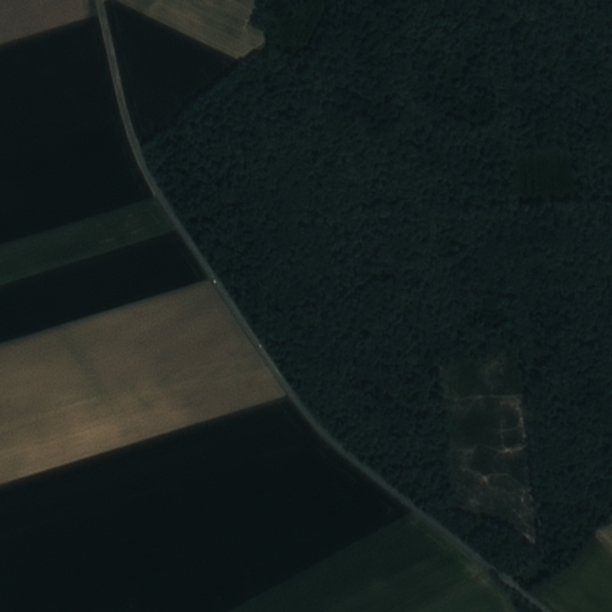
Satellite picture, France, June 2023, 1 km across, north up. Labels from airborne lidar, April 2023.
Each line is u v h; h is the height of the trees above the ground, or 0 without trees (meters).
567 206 20
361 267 22
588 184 8
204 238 20
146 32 0
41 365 0
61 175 0
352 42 22
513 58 23
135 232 0
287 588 0
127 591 0
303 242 26
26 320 0
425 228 23
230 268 21
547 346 21
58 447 0
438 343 28
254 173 21
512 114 20
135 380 0
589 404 19
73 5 0
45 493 0
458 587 0
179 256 0
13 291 0
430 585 0
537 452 19
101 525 0
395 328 22
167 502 0
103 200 0
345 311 26
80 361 0
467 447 0
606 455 17
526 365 6
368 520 0
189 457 0
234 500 0
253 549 0
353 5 24
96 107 0
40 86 0
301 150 16
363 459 13
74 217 0
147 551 0
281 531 0
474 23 18
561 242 24
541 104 25
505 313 8
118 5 0
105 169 0
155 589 0
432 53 11
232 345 0
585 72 22
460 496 0
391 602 0
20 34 0
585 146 23
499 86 20
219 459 0
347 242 19
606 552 0
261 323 17
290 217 27
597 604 0
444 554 0
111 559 0
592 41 23
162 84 0
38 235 0
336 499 0
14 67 0
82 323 0
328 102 22
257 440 0
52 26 0
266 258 22
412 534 0
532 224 25
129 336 0
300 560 0
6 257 0
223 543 0
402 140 19
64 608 0
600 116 18
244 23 0
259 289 22
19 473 0
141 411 0
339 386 18
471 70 18
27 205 0
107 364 0
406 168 16
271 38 16
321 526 0
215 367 0
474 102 11
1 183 0
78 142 0
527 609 15
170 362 0
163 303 0
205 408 0
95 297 0
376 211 19
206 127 22
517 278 22
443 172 22
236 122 19
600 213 11
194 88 0
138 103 0
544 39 20
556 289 24
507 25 9
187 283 0
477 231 21
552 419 22
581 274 21
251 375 0
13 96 0
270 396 0
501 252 24
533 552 19
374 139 17
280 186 19
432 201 21
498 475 0
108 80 0
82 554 0
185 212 14
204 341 0
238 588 0
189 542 0
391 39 17
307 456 0
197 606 0
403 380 22
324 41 21
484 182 19
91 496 0
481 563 0
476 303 18
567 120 24
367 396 25
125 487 0
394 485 14
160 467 0
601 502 20
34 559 0
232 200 9
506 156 16
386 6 25
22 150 0
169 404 0
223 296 0
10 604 0
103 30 0
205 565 0
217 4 0
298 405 0
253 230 24
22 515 0
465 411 0
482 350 16
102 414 0
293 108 21
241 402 0
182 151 18
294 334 20
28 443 0
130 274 0
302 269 25
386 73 21
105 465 0
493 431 0
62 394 0
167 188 6
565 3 18
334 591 0
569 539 21
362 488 0
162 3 0
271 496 0
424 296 18
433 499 20
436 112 10
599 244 22
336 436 15
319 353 24
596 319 21
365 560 0
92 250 0
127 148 0
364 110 26
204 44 0
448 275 17
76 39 0
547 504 26
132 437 0
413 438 20
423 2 21
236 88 21
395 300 22
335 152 12
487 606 0
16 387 0
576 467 20
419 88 8
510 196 18
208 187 21
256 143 16
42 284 0
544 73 24
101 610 0
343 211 20
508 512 0
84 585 0
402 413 17
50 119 0
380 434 24
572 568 0
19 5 0
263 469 0
